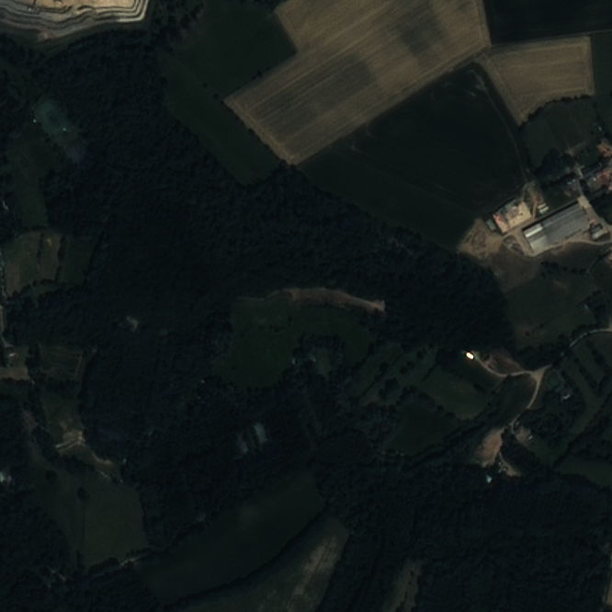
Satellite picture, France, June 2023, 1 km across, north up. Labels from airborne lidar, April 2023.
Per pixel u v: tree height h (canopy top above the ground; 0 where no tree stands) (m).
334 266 11
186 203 23
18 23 0
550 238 0
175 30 22
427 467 14
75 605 23
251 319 0
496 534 22
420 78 0
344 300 0
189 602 15
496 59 0
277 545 0
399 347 0
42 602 21
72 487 0
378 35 0
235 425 27
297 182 27
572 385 8
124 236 21
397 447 0
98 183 29
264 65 0
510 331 14
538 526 31
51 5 0
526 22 0
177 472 26
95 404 21
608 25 0
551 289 0
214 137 0
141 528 0
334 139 0
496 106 0
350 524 13
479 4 0
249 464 25
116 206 26
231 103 0
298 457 20
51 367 0
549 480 32
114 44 25
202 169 26
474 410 0
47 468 0
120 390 17
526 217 0
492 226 0
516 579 31
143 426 21
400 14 0
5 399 19
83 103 17
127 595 19
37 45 0
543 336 0
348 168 0
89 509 0
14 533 26
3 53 23
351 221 33
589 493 34
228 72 0
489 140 0
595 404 0
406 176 0
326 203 27
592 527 13
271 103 0
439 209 0
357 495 21
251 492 21
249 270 15
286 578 0
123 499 0
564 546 11
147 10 0
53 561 26
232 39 0
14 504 16
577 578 32
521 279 0
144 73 25
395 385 23
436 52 0
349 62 0
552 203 0
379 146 0
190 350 22
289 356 0
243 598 0
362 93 0
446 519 26
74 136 0
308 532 16
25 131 0
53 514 0
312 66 0
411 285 24
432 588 23
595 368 0
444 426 0
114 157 9
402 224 0
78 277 0
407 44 0
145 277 19
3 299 11
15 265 0
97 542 0
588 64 0
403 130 0
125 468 14
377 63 0
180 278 20
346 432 17
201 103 0
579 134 0
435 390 0
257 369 0
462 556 23
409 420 0
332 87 0
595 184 0
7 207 14
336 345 21
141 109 24
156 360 19
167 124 21
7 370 0
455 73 0
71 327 26
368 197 0
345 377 23
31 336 31
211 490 26
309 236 18
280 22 0
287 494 0
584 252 0
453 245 0
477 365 0
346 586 19
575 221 0
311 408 25
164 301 12
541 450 0
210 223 24
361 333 0
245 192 21
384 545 23
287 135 0
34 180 0
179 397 26
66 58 22
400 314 19
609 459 9
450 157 0
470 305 20
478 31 0
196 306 19
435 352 0
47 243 0
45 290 0
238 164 0
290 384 30
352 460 18
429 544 22
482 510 19
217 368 0
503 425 0
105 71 25
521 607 29
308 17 0
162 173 25
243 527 0
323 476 20
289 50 0
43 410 11
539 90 0
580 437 9
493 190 0
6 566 22
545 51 0
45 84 14
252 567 0
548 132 0
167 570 0
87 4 0
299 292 0
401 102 0
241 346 0
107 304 20
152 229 24
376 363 0
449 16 0
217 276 17
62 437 0
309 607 0
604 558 17
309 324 0
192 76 0
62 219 33
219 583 0
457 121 0
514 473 0
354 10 0
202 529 16
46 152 0
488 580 27
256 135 7
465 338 21
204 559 0
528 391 0
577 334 11
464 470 22
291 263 17
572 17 0
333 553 0
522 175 0
